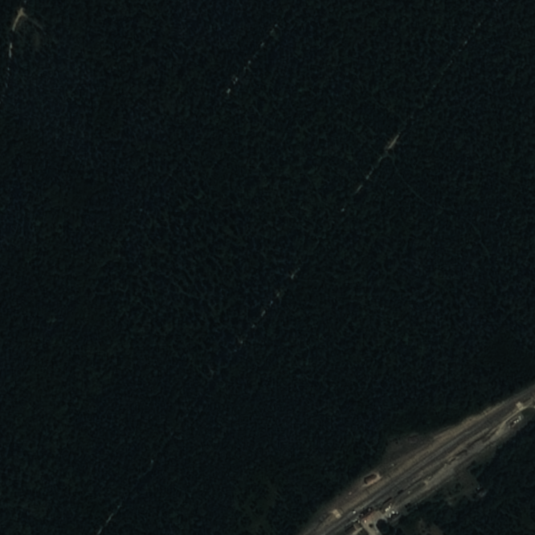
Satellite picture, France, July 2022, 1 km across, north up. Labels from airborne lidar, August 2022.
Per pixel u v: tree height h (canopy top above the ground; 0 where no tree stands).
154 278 32
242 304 22
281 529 10
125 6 19
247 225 11
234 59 24
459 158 12
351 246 28
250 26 23
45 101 15
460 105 9
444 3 9
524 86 10
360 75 23
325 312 17
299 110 13
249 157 15
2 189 25
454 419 11
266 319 9
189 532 20
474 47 17
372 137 19
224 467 21
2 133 19
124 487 24
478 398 22
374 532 0
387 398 22
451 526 17
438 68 21
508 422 0
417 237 16
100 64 24
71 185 22
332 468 20
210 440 22
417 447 0
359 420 22
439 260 14
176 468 19
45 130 28
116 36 20
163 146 23
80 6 28
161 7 27
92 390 17
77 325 17
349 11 20
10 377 22
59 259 33
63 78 29
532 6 18
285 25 23
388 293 15
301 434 21
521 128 19
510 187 19
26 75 30
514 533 21
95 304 20
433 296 20
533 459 22
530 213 20
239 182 10
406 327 14
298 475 21
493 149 23
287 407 23
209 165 9
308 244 22
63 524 12
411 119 15
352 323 9
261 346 16
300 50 25
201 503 18
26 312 20
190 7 33
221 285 8
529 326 25
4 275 23
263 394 21
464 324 25
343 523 0
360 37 20
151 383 23
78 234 24
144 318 23
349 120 6
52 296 24
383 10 19
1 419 17
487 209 15
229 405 18
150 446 22
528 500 22
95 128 19
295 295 21
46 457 22
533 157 24
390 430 11
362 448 11
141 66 24
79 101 17
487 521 17
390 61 23
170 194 11
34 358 16
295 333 20
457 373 19
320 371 15
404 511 0
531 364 10
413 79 12
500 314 26
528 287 13
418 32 9
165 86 13
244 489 11
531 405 0
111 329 19
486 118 13
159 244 25
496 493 22
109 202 27
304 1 26
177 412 27
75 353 14
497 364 8
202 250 15
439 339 14
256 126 18
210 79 15
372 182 12
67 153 25
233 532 5
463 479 0
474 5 20
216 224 6
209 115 17
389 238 15
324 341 18
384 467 0
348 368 20
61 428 24
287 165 21
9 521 20
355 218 15
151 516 14
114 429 20
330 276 13
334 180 19
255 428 18
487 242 15
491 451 0
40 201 24
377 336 22
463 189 15
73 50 27
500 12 17
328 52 25
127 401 18
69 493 17
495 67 13
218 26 15
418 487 0
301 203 21
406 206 10
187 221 6
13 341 24
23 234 24
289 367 20
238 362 23
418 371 19
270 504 0
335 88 32
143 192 32
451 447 0
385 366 19
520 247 7
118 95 25
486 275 17
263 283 32
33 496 23
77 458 21
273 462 12
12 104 30
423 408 13
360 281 16
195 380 25
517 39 18
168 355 18
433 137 18
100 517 11
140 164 30
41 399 18
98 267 20
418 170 8
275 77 7
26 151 27
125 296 11
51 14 27
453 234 17
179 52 34
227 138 13
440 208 18
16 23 0
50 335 19
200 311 21
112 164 23
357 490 0
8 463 22
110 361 21
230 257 7
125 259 6
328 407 19
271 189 13
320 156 15
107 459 24
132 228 37
